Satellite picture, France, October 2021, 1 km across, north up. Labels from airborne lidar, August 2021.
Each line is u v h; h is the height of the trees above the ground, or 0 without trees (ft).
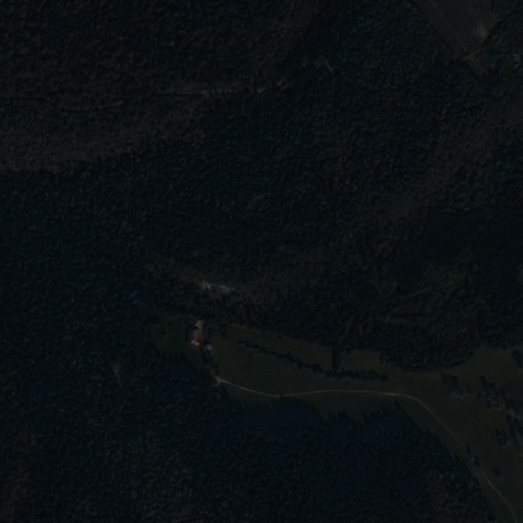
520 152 98
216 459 58
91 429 68
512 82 48
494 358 0
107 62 74
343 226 27
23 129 40
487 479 0
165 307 52
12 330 54
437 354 66
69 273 92
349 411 0
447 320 52
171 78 28
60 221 22
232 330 0
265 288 26
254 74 26
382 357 65
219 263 42
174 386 43
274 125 48
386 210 23
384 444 87
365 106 62
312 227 44
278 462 68
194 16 74
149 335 53
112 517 48
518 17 40
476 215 72
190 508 55
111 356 58
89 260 53
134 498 61
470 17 0
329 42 48
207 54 66
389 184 55
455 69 83
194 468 64
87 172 67
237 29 50
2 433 25
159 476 64
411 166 62
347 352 27
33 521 48
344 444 93
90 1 38
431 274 75
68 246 73
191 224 73
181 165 64
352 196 70
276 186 60
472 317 85
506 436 0
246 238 69
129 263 60
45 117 35
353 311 51
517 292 77
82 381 58
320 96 43
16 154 51
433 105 61
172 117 26
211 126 18
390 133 60
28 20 66
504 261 81
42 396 43
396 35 65
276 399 0
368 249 56
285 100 22
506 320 75
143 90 41
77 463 81
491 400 90
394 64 67
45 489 21
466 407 0
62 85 45
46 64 63
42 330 43
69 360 29
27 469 21
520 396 0
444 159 25
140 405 58
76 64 30
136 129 46
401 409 0
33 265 72
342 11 31
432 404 0
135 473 56
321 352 0
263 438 71
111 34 60
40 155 41
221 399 32
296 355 0
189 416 79
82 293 62
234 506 19
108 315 59
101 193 48
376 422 0
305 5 35
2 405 51
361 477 99
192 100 24
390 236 47
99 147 40
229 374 0
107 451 57
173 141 36
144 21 48
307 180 46
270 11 70
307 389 0
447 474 62
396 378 0
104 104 38
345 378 48
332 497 88
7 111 42
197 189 48
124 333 39
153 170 65
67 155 19
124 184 73
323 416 0
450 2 0
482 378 0
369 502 100
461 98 87
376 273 64
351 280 81
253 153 60
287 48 21
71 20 48
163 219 65
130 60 59
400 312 24
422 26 54
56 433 47
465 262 31
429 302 49
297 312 91
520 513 0
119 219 77
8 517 58
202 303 29
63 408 78
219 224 73
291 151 58
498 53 24
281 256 45
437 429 0
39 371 52
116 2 47
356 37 66
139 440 90
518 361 0
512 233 91
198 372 0
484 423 0
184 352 0
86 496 56
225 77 28
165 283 87
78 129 30
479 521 70
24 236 39
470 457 38
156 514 54
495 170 48
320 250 40
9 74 44
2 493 54
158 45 22
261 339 0
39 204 64
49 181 23
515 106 29
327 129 75
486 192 30
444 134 63
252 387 0
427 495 70
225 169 67
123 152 24
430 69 73
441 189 38
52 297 19
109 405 80
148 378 24
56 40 64
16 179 79
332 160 32
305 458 63
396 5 58
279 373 0
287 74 36
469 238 59
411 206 20
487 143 28
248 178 68
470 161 53
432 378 0
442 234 83
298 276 25
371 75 54
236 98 31
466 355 65
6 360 73
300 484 44
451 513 82
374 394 0
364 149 55
